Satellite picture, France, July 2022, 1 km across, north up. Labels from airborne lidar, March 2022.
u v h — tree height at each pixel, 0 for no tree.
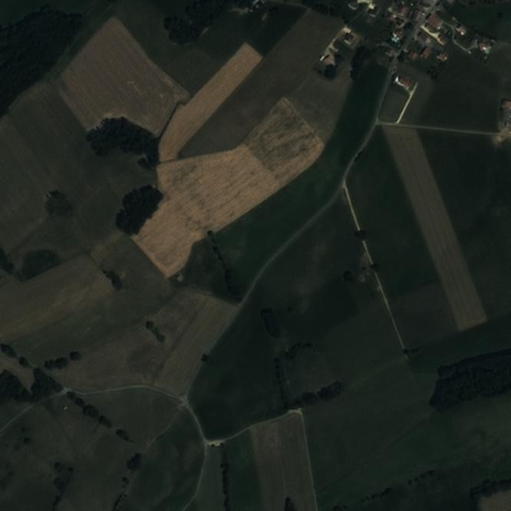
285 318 0
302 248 0
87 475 0
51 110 0
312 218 0
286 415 0
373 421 0
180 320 0
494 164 0
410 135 0
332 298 0
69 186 0
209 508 0
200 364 0
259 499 0
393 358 0
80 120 0
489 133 0
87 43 0
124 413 0
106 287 0
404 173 0
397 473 0
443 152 0
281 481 0
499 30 0
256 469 0
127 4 0
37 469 0
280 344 0
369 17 0
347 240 0
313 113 0
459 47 0
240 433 0
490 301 0
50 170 0
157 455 0
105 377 0
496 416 0
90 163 0
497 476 0
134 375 0
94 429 0
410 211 0
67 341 0
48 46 20
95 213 0
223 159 0
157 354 0
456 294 0
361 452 0
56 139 0
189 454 0
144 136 26
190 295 0
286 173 0
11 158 0
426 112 0
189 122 0
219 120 0
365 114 0
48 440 0
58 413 0
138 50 0
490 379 31
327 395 22
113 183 0
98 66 0
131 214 24
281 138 0
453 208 0
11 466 0
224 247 0
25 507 0
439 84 0
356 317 0
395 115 0
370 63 0
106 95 0
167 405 0
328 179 0
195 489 0
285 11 0
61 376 0
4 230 0
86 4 0
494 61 0
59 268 0
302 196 0
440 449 0
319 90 0
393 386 0
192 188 0
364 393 0
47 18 22
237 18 0
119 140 26
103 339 0
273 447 0
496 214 0
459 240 0
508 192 0
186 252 0
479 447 0
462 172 0
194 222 0
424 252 0
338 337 0
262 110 0
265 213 0
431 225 0
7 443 0
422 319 0
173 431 0
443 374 20
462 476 0
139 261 0
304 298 0
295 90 0
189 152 0
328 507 0
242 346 0
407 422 0
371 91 0
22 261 0
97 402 0
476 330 0
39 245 0
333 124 0
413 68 0
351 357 0
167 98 0
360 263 0
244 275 0
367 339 0
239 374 0
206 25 21
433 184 0
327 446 0
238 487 0
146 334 0
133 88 0
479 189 0
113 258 0
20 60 19
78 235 0
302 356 0
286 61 0
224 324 0
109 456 0
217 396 0
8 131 0
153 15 0
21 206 0
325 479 0
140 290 0
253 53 0
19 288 0
